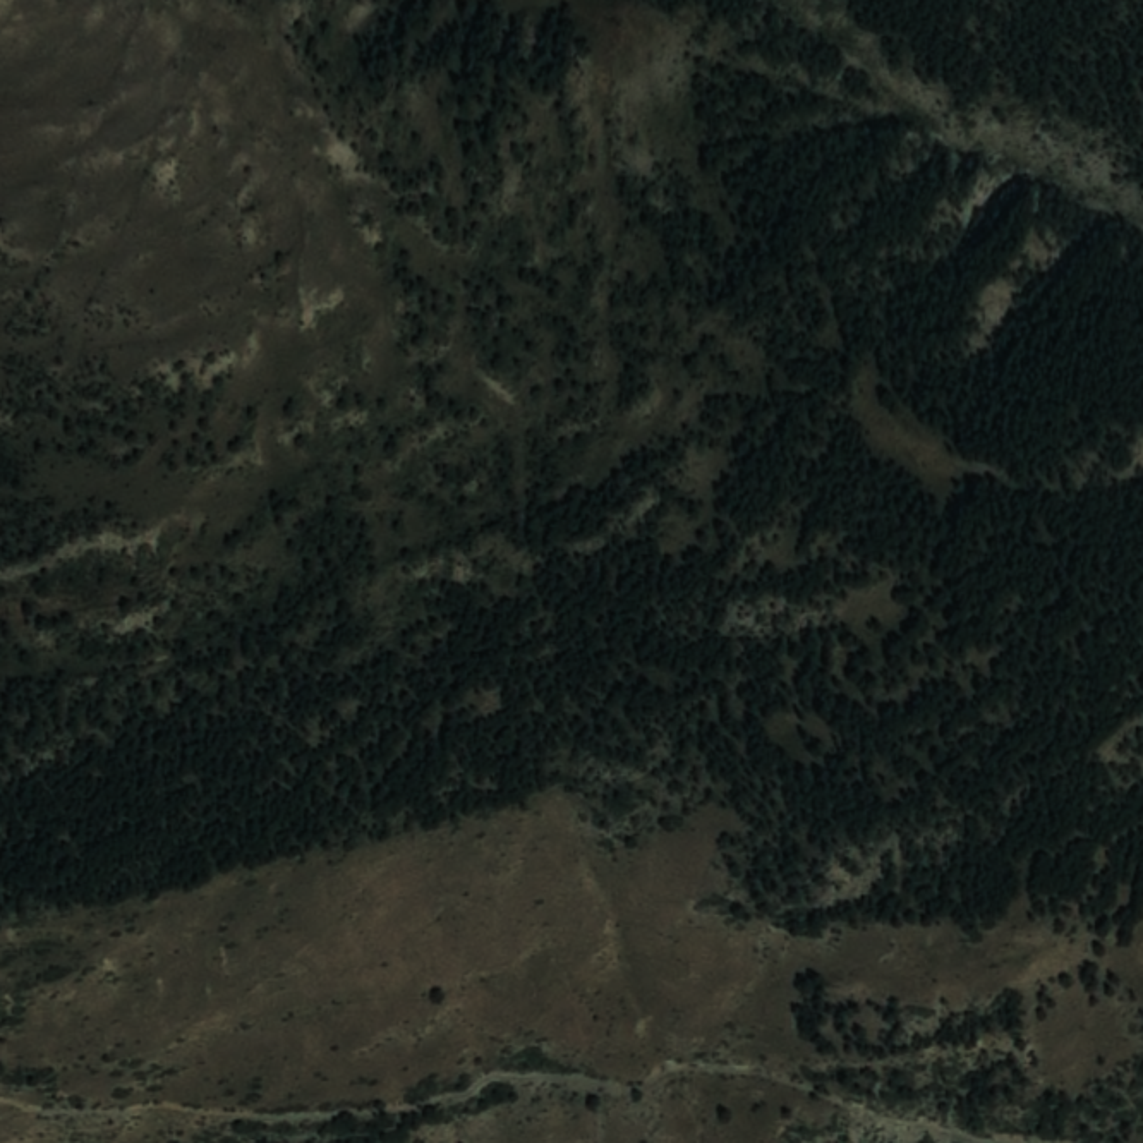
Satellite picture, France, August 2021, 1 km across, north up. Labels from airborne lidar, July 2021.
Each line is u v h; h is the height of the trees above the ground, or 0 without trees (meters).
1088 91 19
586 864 0
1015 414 21
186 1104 0
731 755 18
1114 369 17
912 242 11
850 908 13
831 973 0
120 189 0
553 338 0
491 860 0
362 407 12
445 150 0
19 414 7
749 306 9
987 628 17
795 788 19
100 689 6
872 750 13
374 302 0
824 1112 0
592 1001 0
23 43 0
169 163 0
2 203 0
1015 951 0
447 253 0
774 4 9
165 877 15
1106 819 19
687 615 8
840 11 0
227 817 15
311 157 0
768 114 17
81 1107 9
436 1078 0
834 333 0
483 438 0
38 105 0
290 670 16
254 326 0
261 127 0
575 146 7
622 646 17
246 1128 11
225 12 0
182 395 8
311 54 9
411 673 10
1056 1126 7
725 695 15
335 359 0
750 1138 0
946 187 13
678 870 0
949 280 22
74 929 0
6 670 0
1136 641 26
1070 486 23
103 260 0
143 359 0
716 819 0
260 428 0
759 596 6
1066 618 27
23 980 0
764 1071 0
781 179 27
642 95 0
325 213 0
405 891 0
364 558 6
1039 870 19
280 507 15
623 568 16
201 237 0
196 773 18
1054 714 22
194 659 8
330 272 0
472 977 0
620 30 0
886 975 0
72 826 12
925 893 15
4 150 0
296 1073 0
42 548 8
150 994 0
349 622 6
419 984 0
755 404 9
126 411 6
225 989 0
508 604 16
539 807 0
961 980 0
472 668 16
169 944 0
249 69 0
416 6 20
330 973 0
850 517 10
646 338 12
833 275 19
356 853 0
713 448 7
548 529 6
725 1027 0
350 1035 0
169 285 0
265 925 0
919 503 14
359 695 13
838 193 15
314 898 0
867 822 12
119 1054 0
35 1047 0
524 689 14
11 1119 0
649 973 0
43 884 19
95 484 0
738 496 14
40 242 0
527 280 14
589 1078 0
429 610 12
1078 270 18
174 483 0
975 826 20
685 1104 0
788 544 0
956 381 13
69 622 11
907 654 17
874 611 0
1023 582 16
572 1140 0
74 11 0
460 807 17
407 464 0
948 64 22
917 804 18
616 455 0
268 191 0
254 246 0
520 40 9
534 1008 0
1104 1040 0
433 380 15
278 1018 0
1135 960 0
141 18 0
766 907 18
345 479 0
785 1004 0
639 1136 0
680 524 0
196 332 0
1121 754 10
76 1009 0
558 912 0
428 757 11
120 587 0
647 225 15
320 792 18
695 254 7
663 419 0
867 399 0
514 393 0
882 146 18
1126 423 17
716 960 0
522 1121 0
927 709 18
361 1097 0
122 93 0
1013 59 18
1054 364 20
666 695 18
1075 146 0
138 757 13
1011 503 21
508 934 0
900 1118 0
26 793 19
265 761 19
